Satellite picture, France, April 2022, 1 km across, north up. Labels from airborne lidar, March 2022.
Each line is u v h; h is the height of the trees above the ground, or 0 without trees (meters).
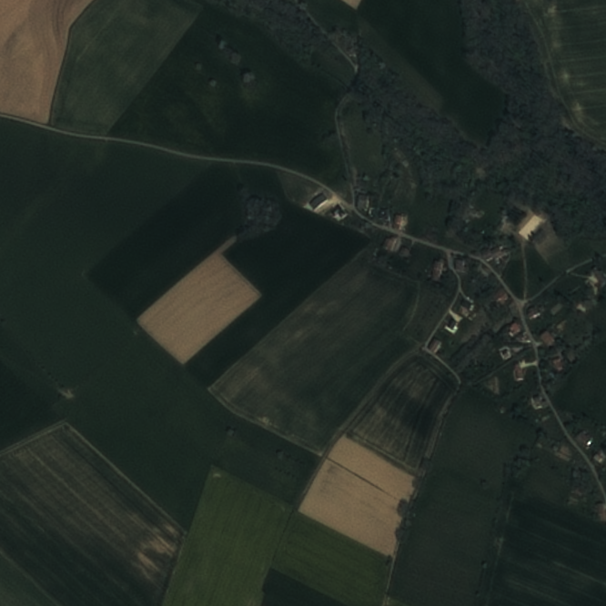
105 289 0
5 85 0
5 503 0
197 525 0
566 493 0
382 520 0
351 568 0
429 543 0
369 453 0
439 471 0
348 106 0
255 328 0
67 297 0
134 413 0
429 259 0
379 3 0
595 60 0
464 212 20
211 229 0
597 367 0
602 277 0
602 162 23
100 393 0
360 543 0
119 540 0
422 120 26
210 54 0
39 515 0
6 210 0
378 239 0
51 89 0
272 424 0
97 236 0
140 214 0
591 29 0
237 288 0
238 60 19
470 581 0
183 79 0
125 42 0
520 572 0
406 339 0
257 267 0
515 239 10
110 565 0
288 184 0
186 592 0
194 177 0
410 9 0
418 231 0
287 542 0
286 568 0
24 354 0
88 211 0
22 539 0
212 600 0
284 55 0
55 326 0
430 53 0
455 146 22
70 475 0
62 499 0
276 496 0
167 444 0
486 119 0
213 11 0
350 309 0
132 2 0
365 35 0
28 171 0
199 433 0
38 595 0
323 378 0
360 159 0
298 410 0
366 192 8
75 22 0
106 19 0
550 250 0
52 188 0
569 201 8
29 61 0
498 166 20
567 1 0
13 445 0
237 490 0
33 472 0
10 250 0
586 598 0
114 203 0
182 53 0
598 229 20
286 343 0
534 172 28
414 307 0
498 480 0
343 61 8
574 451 0
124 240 0
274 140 0
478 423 0
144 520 0
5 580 0
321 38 22
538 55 22
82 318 0
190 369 0
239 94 0
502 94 0
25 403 0
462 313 0
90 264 0
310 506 0
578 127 0
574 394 0
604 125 0
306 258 0
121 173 0
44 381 0
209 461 0
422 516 0
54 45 0
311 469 0
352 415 0
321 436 0
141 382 0
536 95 29
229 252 0
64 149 0
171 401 0
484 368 13
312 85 0
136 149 0
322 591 0
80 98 0
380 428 0
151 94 0
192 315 0
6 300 0
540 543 0
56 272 0
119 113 0
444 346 0
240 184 0
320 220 0
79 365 0
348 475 0
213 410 0
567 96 0
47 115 0
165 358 0
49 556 0
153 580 0
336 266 0
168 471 0
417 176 0
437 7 0
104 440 0
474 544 0
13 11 0
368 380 0
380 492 0
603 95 0
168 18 0
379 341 0
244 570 0
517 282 0
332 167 0
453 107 0
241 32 0
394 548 0
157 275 0
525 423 11
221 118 0
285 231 0
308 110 0
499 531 0
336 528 0
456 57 0
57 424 0
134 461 0
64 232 0
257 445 0
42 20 0
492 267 0
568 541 0
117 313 0
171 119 0
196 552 0
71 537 0
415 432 0
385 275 0
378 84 26
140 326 0
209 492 0
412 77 0
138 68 0
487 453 0
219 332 0
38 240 0
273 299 0
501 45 31
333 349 0
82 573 0
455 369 6
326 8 0
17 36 0
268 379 0
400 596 0
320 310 0
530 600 0
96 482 0
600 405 0
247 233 20
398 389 0
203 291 0
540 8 0
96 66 0
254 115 0
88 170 0
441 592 0
